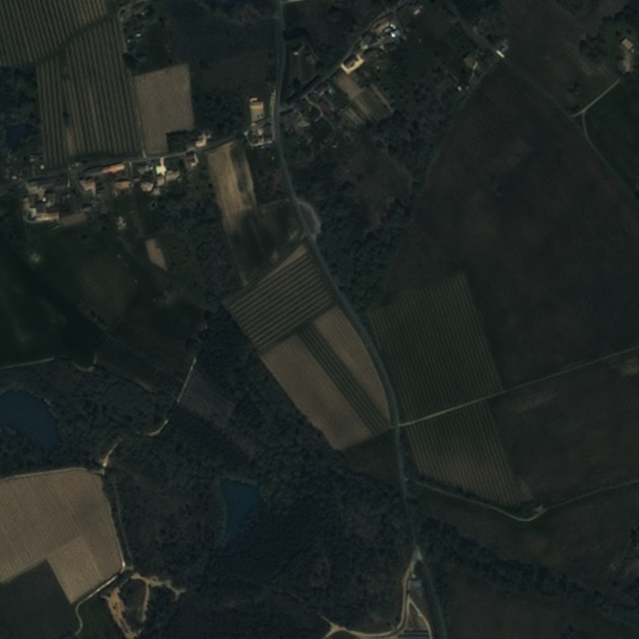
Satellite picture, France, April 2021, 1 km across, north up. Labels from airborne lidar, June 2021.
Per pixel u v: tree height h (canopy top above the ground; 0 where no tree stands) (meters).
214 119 6
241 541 13
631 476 0
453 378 0
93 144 0
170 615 12
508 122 0
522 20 0
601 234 0
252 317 0
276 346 0
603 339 0
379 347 0
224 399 24
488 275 0
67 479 0
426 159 16
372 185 0
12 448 11
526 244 0
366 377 0
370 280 17
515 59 0
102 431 14
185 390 25
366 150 0
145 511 7
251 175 0
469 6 15
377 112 0
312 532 13
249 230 0
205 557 12
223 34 12
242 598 12
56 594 0
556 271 0
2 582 0
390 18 0
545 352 0
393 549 20
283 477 22
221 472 6
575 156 0
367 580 14
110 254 0
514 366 0
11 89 14
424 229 0
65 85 0
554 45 0
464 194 0
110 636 0
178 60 11
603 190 0
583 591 18
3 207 14
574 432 0
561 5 16
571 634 13
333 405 0
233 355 18
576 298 0
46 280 0
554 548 0
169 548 9
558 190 0
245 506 0
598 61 19
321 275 0
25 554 0
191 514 10
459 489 14
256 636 7
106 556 0
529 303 0
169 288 8
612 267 0
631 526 0
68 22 0
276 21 16
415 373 0
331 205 12
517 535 0
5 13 0
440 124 11
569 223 0
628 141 0
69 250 0
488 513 0
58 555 0
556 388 0
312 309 0
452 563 15
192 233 13
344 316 0
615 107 0
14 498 0
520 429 0
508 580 28
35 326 0
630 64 0
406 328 0
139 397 9
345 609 13
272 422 16
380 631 0
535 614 0
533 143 0
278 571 13
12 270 0
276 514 15
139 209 0
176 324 0
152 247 0
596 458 0
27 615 0
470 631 0
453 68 0
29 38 0
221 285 14
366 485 20
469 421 0
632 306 0
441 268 0
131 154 0
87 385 6
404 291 0
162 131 0
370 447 0
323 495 18
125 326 0
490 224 0
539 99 0
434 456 0
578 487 0
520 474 0
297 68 0
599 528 0
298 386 0
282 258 0
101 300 0
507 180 0
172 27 11
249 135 0
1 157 13
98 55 0
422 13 0
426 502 0
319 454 17
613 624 0
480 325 0
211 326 18
